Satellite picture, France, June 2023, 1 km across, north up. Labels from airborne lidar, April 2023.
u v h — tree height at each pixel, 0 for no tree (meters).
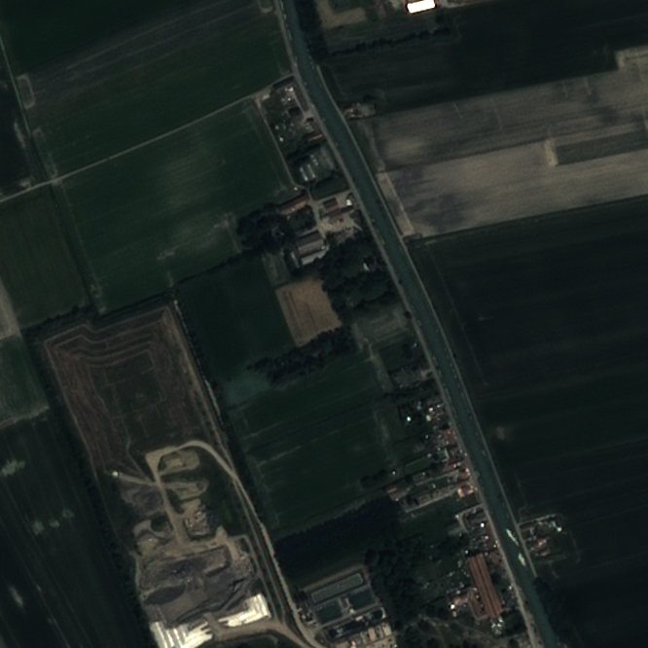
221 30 0
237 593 0
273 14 0
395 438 0
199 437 0
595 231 0
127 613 0
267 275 0
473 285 0
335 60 0
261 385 0
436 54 0
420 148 0
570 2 0
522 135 0
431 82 0
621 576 0
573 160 0
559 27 0
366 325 0
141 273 0
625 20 0
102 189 0
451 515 0
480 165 0
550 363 0
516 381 0
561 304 0
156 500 0
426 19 0
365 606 0
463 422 0
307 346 6
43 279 0
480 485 0
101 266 0
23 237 0
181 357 0
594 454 0
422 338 0
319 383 0
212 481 0
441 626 0
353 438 0
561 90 0
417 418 7
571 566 0
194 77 0
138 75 0
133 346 0
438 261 0
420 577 0
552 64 0
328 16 0
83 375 0
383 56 0
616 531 0
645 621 0
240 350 0
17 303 0
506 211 0
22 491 0
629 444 0
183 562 0
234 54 0
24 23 0
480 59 0
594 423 0
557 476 0
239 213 0
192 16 0
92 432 0
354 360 0
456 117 0
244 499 0
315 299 0
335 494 0
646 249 0
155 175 0
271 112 0
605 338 0
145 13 0
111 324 0
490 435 0
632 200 0
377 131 0
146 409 0
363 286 17
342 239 0
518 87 0
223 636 0
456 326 0
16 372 0
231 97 0
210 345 0
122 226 0
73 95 0
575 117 0
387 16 0
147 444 0
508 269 0
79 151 0
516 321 0
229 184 0
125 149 0
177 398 0
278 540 0
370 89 0
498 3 0
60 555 0
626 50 0
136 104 0
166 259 0
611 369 0
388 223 0
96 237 0
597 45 0
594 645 0
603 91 0
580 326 0
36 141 0
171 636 0
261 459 0
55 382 0
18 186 0
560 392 0
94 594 0
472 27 0
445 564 0
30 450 0
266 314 0
